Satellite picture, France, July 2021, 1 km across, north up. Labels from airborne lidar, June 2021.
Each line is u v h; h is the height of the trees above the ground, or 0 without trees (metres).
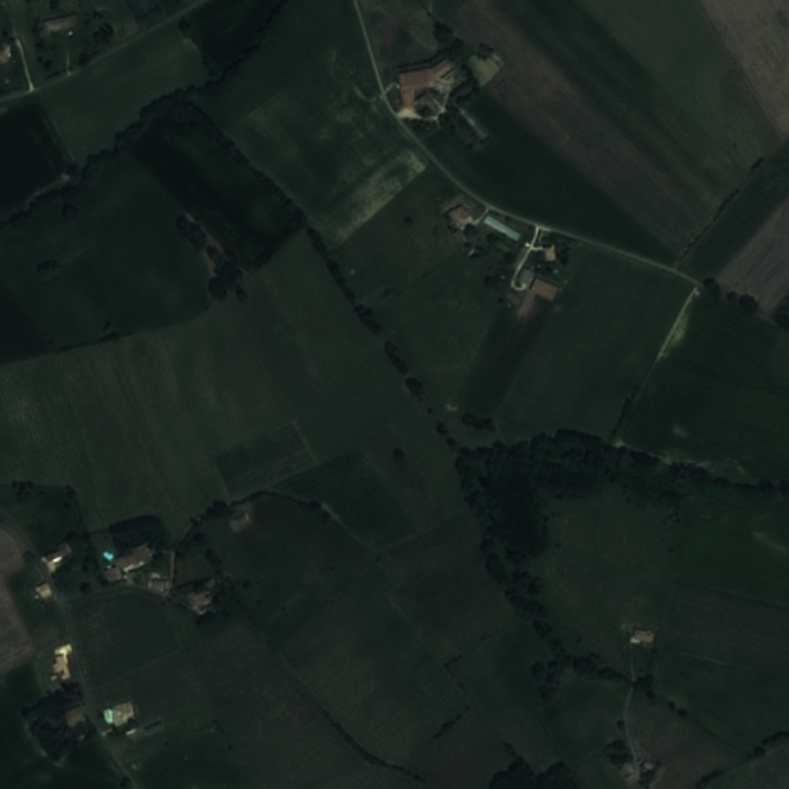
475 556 0
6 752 0
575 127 0
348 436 0
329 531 0
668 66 0
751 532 0
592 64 0
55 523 0
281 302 0
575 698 0
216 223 0
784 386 0
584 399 0
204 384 0
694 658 0
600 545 0
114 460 0
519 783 19
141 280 0
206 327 0
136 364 0
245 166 12
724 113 0
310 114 0
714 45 0
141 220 0
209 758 0
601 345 0
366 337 0
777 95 0
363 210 0
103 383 0
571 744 0
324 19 0
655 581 0
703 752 0
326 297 0
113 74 0
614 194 0
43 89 0
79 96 0
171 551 0
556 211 0
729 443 0
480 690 0
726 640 0
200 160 0
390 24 0
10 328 0
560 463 17
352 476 0
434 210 0
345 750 0
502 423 0
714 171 0
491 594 0
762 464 0
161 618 0
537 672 18
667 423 0
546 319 0
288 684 0
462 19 0
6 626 0
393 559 0
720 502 0
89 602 0
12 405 0
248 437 0
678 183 0
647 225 0
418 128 7
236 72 12
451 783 0
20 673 0
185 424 0
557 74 0
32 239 0
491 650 0
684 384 0
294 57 0
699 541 0
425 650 0
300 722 0
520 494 17
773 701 0
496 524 16
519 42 0
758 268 0
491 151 0
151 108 13
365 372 0
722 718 0
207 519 8
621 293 0
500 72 0
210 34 0
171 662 0
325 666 0
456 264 0
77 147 0
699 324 0
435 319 0
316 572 0
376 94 0
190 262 0
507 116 0
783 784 0
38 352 0
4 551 0
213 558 13
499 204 0
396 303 0
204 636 0
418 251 0
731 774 0
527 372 0
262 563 0
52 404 0
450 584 0
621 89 0
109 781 0
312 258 0
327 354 0
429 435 0
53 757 8
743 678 0
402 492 0
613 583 0
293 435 0
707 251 0
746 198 0
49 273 16
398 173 0
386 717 0
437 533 0
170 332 0
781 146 0
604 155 0
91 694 0
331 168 0
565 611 0
